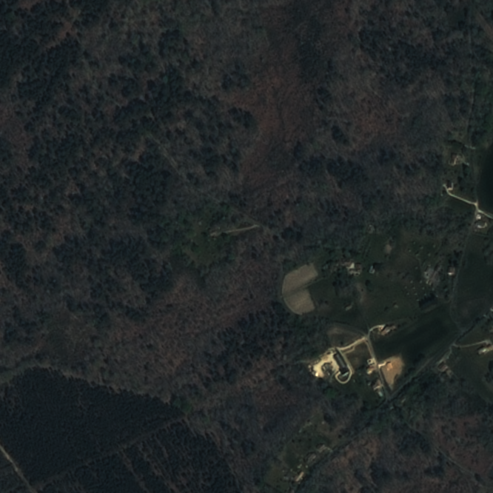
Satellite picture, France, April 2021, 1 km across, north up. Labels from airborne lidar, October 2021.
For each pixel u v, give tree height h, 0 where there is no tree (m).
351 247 16
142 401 14
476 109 16
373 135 6
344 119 10
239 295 7
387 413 18
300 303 0
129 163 19
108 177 13
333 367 0
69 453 12
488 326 8
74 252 25
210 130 17
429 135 13
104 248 10
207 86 19
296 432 9
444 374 10
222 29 21
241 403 15
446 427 6
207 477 14
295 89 0
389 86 17
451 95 21
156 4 13
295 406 10
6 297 20
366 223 16
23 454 11
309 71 0
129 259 21
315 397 11
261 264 14
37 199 10
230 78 15
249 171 0
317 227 12
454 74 15
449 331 0
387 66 18
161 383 9
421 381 9
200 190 22
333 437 0
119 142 26
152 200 27
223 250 16
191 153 13
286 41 0
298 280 0
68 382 14
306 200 16
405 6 13
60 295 15
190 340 13
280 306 16
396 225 10
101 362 16
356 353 0
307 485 20
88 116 16
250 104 0
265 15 15
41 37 11
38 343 22
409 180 15
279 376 9
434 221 17
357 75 14
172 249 16
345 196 10
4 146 22
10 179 12
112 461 14
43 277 13
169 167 10
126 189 28
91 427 13
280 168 0
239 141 8
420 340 0
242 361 7
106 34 13
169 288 25
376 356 0
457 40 6
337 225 13
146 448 13
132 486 10
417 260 0
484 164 0
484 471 0
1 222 20
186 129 16
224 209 17
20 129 7
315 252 16
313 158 12
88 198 32
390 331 7
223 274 15
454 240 17
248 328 24
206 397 8
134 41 22
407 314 0
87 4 17
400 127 8
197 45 13
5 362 21
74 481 11
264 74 0
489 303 0
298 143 0
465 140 0
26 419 13
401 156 6
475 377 0
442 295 14
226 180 18
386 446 19
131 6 16
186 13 21
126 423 13
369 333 0
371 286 16
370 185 27
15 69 20
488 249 12
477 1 15
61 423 14
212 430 19
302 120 0
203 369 7
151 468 13
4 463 9
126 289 17
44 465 12
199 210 13
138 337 7
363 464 16
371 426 11
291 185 15
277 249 12
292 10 0
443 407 13
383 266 9
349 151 11
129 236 10
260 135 19
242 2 18
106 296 25
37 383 15
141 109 27
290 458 0
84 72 20
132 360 15
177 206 19
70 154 24
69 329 0
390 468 15
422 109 14
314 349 12
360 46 14
